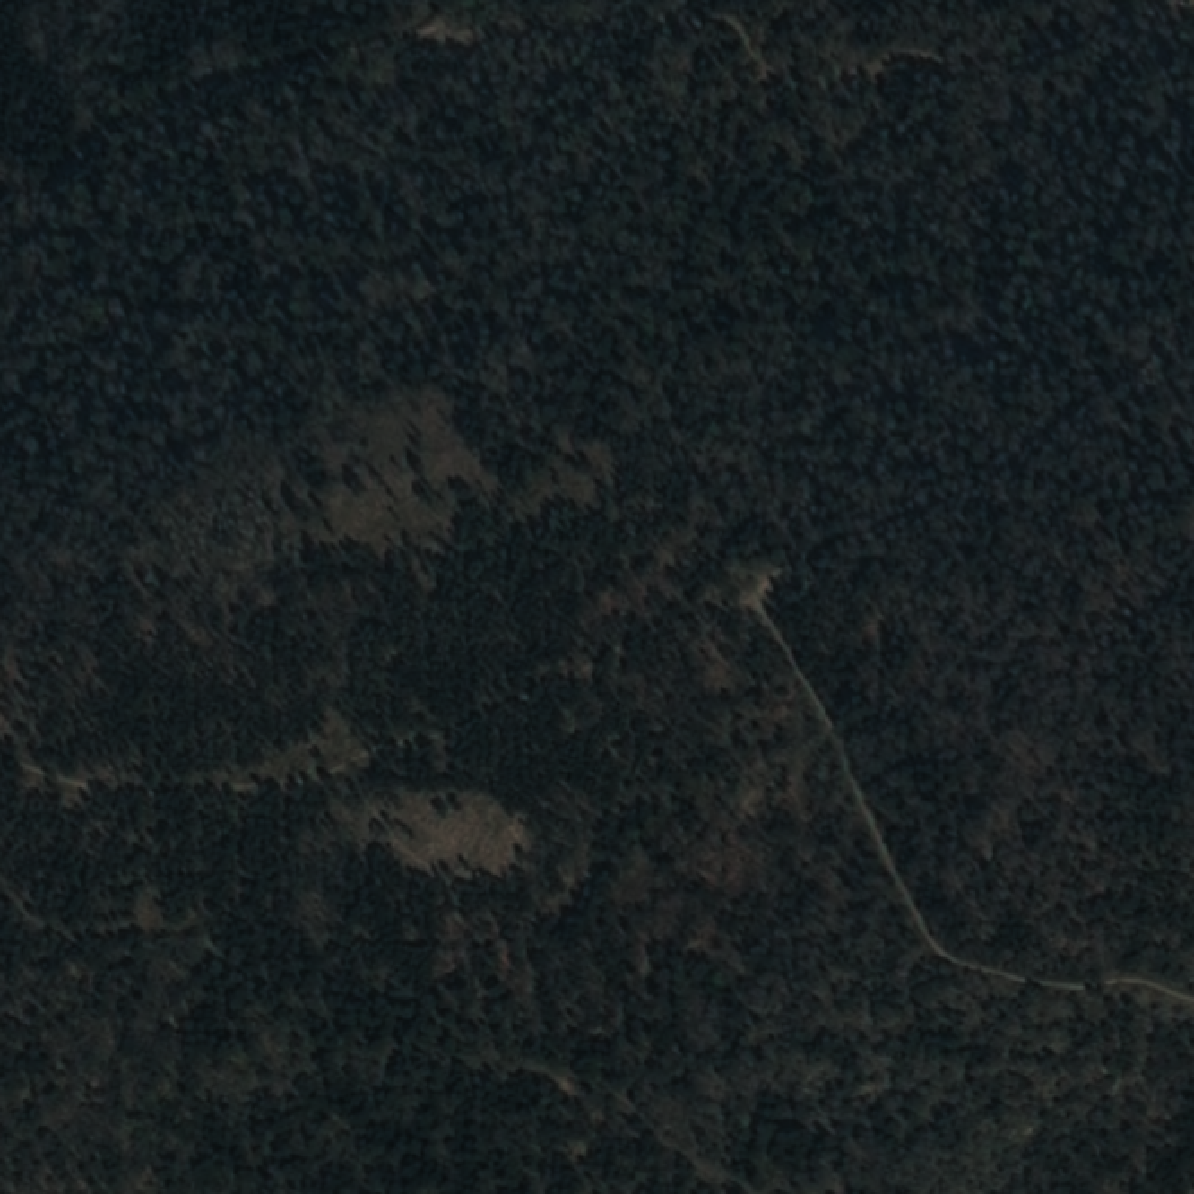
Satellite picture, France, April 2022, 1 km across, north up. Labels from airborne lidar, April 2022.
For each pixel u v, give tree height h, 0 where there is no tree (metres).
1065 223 25
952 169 17
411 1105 31
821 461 34
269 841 29
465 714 23
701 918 15
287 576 17
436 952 17
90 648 21
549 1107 30
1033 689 25
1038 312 25
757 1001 26
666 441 18
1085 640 11
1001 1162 23
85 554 19
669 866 17
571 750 17
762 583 0
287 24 20
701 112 33
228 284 18
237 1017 28
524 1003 23
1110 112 29
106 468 22
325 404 21
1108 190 29
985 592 24
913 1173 20
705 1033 25
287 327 13
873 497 30
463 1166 35
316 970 35
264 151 25
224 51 38
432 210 28
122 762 20
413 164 15
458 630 27
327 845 24
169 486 20
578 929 24
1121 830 27
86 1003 24
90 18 20
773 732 16
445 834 0
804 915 14
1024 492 16
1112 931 29
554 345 19
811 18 31
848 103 23
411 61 18
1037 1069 24
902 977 24
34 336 33
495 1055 26
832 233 31
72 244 31
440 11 9
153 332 18
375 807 24
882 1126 27
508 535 24
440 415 0
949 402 30
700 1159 10
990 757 21
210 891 24
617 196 28
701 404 27
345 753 0
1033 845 15
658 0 20
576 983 25
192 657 22
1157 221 34
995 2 16
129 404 15
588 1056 25
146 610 26
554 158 15
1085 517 19
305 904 23
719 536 19
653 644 26
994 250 40
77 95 22
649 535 21
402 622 22
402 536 0
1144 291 24
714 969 23
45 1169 25
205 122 9
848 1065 14
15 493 21
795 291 33
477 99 32
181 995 33
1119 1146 21
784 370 23
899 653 15
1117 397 29
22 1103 26
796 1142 40
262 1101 20
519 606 18
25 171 22
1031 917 7
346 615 20
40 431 21
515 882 20
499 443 20
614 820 24
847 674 11
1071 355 35
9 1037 29
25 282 27
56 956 24
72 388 21
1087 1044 14
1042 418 19
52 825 18
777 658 24
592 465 19
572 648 19
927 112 30
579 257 22
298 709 25
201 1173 32
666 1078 28
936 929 16
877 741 25
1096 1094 20
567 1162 22
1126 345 26
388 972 20
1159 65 26
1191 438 27
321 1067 20
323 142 21
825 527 20
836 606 22
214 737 24
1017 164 21
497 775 25
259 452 24
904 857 11
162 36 21
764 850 15
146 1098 30
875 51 32
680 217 30
